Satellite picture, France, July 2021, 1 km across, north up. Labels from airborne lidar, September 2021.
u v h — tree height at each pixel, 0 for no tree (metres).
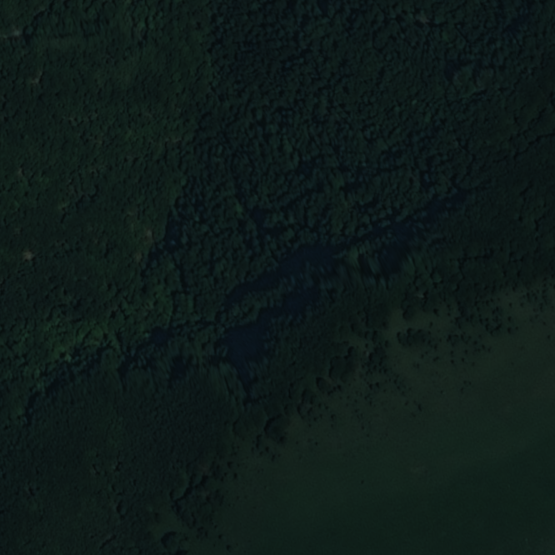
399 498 0
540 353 0
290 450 0
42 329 30
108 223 23
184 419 30
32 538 30
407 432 0
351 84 35
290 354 30
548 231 27
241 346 28
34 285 21
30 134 29
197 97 31
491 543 0
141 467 27
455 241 25
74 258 11
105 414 26
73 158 26
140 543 24
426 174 15
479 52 24
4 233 31
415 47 32
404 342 13
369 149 27
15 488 23
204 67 32
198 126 10
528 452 0
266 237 9
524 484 0
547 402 0
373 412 0
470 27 27
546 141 29
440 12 36
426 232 26
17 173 27
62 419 29
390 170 26
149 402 28
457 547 0
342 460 0
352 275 28
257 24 25
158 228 24
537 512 0
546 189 28
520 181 29
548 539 0
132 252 33
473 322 14
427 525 0
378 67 26
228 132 30
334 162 26
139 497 27
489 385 0
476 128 25
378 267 24
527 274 28
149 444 29
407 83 25
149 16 25
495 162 30
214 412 28
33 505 20
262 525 0
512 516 0
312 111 25
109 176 27
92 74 19
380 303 20
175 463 27
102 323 30
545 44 16
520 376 0
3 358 31
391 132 32
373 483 0
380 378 0
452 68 23
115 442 27
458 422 0
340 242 30
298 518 0
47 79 29
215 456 7
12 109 38
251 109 32
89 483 23
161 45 39
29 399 27
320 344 28
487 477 0
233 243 38
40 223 28
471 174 23
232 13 29
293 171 23
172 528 0
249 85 29
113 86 20
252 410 30
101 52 17
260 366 25
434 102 30
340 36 28
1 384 30
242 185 32
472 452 0
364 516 0
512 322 11
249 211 18
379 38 42
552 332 0
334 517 0
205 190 26
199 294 34
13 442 27
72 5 31
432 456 0
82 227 23
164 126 34
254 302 25
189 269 30
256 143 35
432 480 0
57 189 31
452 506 0
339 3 30
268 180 32
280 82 20
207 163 26
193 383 22
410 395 0
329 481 0
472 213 31
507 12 16
